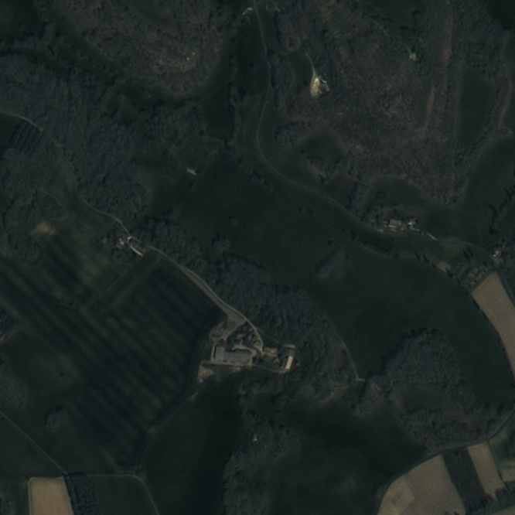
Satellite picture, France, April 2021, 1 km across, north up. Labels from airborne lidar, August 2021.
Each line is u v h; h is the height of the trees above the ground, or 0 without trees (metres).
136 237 15
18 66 23
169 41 8
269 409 0
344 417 0
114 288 0
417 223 14
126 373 0
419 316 0
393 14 0
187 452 0
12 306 0
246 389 7
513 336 0
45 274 0
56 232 0
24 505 0
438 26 12
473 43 6
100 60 0
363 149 8
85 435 0
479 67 11
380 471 0
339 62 7
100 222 0
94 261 0
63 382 0
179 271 0
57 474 0
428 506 0
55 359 0
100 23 6
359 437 0
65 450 0
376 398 20
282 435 20
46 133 14
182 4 12
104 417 0
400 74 11
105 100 18
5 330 12
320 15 13
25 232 22
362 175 19
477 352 0
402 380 22
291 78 20
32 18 0
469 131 0
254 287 28
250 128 0
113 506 0
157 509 0
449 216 0
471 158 18
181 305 0
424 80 11
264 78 0
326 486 0
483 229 0
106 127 18
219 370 0
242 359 0
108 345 0
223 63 0
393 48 13
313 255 0
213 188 0
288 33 20
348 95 8
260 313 7
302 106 10
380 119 9
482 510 16
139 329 0
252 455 26
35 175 12
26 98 19
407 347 22
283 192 0
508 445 0
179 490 0
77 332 0
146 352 0
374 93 7
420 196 0
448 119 11
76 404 0
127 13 15
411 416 19
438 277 0
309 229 0
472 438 24
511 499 28
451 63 10
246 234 0
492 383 0
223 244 18
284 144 13
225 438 0
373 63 12
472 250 0
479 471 0
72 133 23
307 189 0
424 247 0
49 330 0
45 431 0
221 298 11
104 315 0
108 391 0
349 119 9
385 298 0
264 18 0
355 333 0
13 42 15
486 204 0
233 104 12
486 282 0
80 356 0
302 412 0
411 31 9
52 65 0
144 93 13
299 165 0
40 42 14
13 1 0
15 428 0
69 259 0
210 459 0
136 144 18
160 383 0
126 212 19
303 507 0
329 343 21
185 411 0
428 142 7
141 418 0
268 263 0
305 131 16
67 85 19
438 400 0
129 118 0
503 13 0
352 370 16
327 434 0
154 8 0
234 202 0
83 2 9
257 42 0
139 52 13
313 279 0
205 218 0
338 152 0
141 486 0
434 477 0
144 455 0
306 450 0
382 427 0
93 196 26
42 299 0
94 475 0
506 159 0
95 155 16
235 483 17
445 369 21
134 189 22
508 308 0
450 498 0
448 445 20
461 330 0
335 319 0
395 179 0
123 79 15
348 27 0
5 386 19
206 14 16
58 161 15
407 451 0
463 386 24
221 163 0
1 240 0
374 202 0
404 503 0
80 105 22
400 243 0
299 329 23
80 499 16
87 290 0
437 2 15
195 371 0
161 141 13
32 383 0
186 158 0
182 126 34
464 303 0
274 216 0
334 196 0
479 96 0
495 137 15
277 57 19
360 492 0
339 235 0
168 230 22
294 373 12
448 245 0
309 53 9
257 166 0
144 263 0
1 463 0
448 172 15
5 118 0
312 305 19
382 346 0
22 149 14
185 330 0
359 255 0
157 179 0
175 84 19
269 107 0
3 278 0
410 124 9
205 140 24
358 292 0
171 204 0
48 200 11
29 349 0
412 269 0
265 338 0
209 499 0
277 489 0
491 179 0
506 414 20
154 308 0
